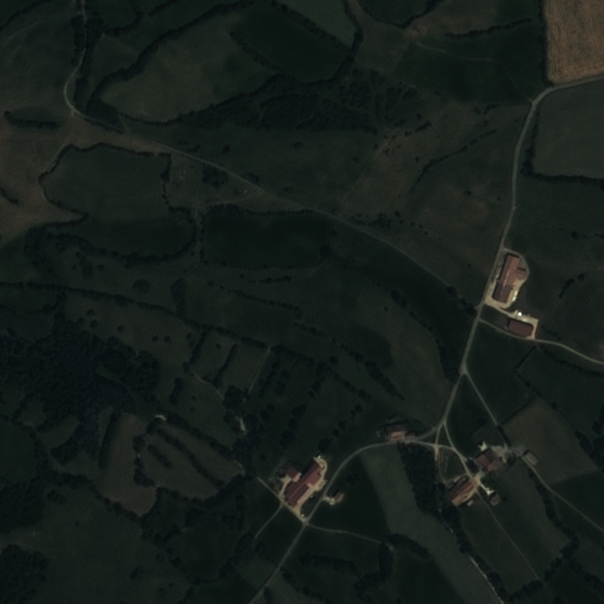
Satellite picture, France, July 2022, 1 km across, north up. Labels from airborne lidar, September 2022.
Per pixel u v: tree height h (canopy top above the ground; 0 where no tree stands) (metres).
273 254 0
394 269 0
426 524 0
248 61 0
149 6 0
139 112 0
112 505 8
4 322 0
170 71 0
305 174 0
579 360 0
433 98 0
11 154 0
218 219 0
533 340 0
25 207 0
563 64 0
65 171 0
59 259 0
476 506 0
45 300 0
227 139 0
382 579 21
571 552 18
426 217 0
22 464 0
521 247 0
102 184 0
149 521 9
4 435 0
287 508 0
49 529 0
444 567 0
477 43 0
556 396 0
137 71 10
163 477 0
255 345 10
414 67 0
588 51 0
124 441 0
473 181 0
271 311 0
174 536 8
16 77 0
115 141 0
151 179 0
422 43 0
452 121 0
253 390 0
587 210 0
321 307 0
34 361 6
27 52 0
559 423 0
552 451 0
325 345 0
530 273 0
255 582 0
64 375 10
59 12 0
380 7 0
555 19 0
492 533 0
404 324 0
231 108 7
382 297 0
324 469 0
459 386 0
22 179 0
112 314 0
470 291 0
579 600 0
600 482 0
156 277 0
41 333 0
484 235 0
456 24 0
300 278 0
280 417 0
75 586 0
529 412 0
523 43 0
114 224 0
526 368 0
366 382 0
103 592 0
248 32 0
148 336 0
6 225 0
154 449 6
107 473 0
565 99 0
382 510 0
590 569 0
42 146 0
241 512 13
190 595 16
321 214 0
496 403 0
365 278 0
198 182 0
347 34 0
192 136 0
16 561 9
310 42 0
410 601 0
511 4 0
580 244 0
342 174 0
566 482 0
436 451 0
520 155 0
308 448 0
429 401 0
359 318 0
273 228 0
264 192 0
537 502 0
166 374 0
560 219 0
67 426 0
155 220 0
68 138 0
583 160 0
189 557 0
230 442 0
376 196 0
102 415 0
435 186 0
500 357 0
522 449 0
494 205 0
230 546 0
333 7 0
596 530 0
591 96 0
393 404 0
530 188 0
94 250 15
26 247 7
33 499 11
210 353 0
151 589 0
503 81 0
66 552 0
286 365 0
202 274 0
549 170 0
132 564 0
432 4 14
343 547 0
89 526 0
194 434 9
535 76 0
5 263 0
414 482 19
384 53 0
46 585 0
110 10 0
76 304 0
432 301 0
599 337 0
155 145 0
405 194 0
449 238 0
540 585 15
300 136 0
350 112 7
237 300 0
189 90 0
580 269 0
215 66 0
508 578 0
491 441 0
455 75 0
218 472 0
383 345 0
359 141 0
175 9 0
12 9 0
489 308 0
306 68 0
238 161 0
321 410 0
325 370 19
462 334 0
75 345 19
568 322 0
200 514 20
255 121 19
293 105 8
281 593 0
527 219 0
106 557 0
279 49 0
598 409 0
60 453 19
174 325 0
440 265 0
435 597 0
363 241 0
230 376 0
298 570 0
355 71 7
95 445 24
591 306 0
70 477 18
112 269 0
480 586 0
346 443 0
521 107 0
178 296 7
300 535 0
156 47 9
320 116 6
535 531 0
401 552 0
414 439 0
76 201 0
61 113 0
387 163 0
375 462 0
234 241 0
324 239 0
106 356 26
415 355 0
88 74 8
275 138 0
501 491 0
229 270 0
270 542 0
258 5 0
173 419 20
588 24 0
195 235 7
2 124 0
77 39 12
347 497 0
